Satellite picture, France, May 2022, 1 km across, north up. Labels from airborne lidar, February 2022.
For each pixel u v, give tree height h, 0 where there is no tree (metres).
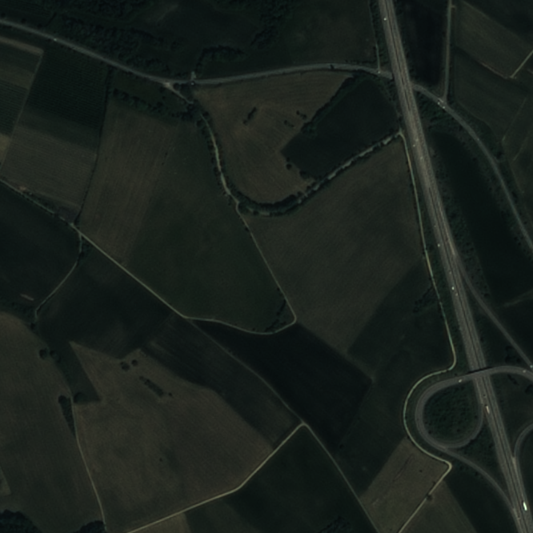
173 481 0
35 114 0
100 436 0
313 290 0
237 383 0
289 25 0
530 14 0
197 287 0
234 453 0
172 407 0
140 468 0
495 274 0
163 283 0
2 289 0
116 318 0
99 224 0
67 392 0
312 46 0
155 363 0
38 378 0
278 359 0
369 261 0
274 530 0
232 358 0
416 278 0
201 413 0
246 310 0
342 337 0
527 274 0
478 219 0
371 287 0
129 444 0
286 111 0
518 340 0
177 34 0
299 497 0
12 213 0
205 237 0
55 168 0
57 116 0
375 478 0
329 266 0
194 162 0
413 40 0
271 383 0
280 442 0
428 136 0
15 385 0
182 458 0
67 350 0
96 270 0
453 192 0
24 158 0
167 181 0
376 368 0
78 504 0
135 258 0
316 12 0
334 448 0
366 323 0
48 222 0
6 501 0
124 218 0
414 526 0
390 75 0
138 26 0
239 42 0
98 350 0
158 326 0
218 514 0
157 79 0
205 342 0
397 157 0
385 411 0
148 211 0
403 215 0
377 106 0
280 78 0
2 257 0
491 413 0
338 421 0
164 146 0
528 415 0
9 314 0
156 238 0
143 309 0
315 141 0
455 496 0
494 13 0
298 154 0
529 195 0
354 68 0
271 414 0
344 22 0
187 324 0
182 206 0
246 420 0
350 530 10
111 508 0
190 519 0
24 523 21
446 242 0
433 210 0
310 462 0
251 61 0
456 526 0
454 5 0
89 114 0
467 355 0
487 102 0
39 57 0
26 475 0
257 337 0
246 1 14
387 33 0
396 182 0
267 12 14
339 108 0
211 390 0
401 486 0
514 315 0
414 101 0
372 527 0
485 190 0
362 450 0
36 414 0
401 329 0
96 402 0
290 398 0
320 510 0
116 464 0
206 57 11
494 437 0
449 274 0
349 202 0
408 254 0
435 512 0
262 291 0
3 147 0
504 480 0
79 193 0
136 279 0
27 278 0
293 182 0
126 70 0
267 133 0
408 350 0
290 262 0
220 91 0
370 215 0
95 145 0
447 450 0
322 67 0
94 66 0
